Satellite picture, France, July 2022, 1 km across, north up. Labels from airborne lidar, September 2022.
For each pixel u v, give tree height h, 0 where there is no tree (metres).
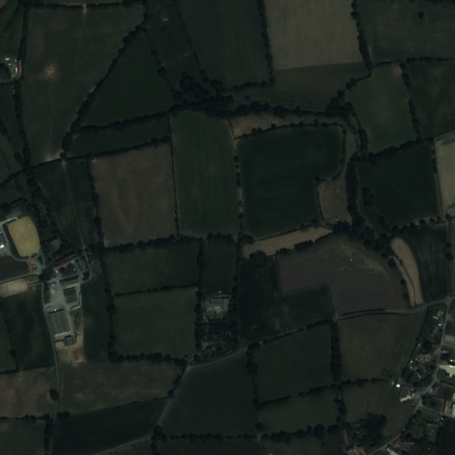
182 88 17
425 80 0
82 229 0
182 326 0
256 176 0
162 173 0
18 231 0
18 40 0
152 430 0
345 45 0
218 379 0
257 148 0
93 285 0
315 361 0
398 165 0
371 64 10
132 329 0
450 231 0
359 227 32
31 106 0
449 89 0
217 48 0
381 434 9
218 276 0
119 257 0
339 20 0
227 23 0
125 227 0
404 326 0
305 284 0
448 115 0
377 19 0
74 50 0
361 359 0
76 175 0
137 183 0
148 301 0
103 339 0
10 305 0
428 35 0
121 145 0
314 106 0
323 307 0
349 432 0
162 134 0
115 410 0
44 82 0
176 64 0
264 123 0
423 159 0
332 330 9
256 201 0
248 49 0
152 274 0
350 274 0
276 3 0
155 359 17
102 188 0
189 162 0
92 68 0
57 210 0
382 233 0
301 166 0
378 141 0
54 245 0
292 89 0
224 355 6
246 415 0
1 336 0
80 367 0
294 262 0
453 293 0
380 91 0
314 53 0
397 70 0
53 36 0
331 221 0
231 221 0
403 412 0
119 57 6
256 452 0
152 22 0
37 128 0
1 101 0
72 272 0
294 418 0
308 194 0
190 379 0
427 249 0
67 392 0
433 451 0
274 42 0
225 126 0
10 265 0
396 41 0
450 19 0
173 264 0
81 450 0
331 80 0
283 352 0
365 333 0
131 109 0
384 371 6
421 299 0
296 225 0
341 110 18
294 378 0
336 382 9
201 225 0
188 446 0
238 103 0
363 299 0
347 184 6
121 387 0
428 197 0
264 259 19
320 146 0
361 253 0
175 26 0
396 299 0
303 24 0
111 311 18
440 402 0
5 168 0
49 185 0
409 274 0
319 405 0
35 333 0
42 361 0
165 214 0
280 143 0
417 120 15
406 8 0
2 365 0
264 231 0
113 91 0
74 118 0
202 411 0
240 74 0
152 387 0
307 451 0
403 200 0
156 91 0
